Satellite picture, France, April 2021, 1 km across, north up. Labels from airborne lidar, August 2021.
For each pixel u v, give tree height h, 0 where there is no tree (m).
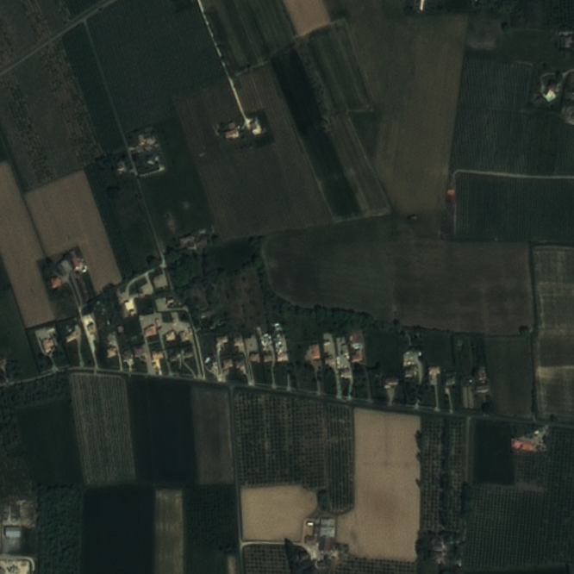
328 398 0
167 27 6
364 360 0
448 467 19
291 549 13
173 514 0
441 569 13
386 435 0
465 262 0
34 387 8
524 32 0
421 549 14
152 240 0
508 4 16
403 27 0
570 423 0
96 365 0
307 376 7
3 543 0
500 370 0
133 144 6
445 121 0
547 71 7
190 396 0
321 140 0
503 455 0
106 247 0
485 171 0
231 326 7
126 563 0
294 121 0
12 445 8
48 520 9
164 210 0
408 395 9
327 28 0
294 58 0
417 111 0
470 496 12
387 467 0
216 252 0
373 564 5
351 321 15
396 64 0
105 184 5
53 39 0
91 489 0
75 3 5
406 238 0
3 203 0
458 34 0
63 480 0
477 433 0
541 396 0
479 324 0
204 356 0
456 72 0
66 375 8
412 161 0
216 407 0
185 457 0
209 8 0
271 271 0
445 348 0
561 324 0
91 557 0
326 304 0
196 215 0
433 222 0
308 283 0
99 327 9
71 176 0
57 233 0
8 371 8
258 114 0
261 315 10
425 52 0
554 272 0
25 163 0
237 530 0
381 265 0
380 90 0
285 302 10
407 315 0
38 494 7
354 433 0
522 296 0
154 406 0
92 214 0
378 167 0
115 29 6
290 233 0
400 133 0
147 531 0
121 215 0
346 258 0
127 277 7
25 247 0
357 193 0
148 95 5
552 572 0
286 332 9
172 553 0
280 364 8
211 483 0
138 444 0
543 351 0
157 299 0
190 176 0
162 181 0
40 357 8
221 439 0
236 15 0
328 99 0
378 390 11
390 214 0
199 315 12
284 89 0
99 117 6
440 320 0
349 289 0
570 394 0
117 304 8
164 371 0
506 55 0
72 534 9
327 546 0
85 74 6
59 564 9
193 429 0
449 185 0
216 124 0
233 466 0
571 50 8
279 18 0
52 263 16
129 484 0
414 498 0
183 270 18
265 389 0
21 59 0
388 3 0
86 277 0
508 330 0
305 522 0
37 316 0
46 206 0
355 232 0
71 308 0
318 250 0
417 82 0
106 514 0
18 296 0
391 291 0
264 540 0
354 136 0
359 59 0
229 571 0
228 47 0
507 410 0
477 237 0
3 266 0
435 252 0
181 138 0
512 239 0
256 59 0
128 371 0
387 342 0
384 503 0
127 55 5
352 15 0
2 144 0
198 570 0
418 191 0
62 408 0
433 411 0
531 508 6
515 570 0
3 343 0
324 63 0
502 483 0
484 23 0
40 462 0
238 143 0
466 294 0
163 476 0
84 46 5
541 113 0
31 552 0
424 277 0
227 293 10
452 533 7
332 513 0
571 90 11
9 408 11
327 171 0
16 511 0
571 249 0
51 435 0
